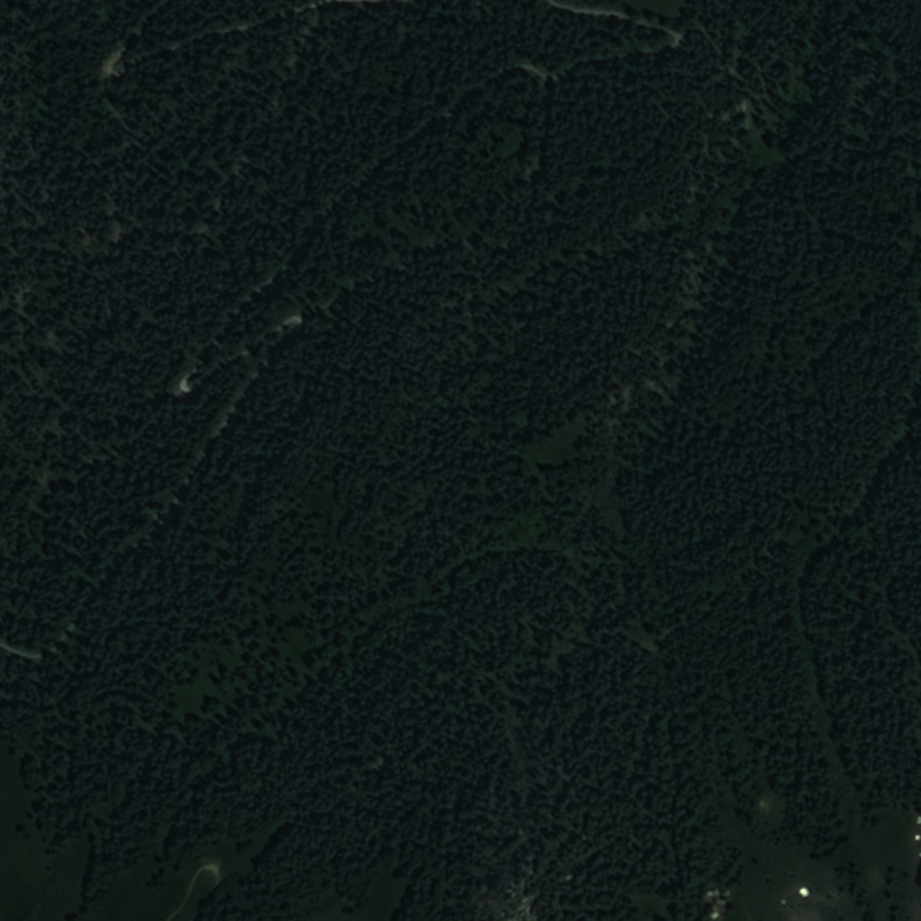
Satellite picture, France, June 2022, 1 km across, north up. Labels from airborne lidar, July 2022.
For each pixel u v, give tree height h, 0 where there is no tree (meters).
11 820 0
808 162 14
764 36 37
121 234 0
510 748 11
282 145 26
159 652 14
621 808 22
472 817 13
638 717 25
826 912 0
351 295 17
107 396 34
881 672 20
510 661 16
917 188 31
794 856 0
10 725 26
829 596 25
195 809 17
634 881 21
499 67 20
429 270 31
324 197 31
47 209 29
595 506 8
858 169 30
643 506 24
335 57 8
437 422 16
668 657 7
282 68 7
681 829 26
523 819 18
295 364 28
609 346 11
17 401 21
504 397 21
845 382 27
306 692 11
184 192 27
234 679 10
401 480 29
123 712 24
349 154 32
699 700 15
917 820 0
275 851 22
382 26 29
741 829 0
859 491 23
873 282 13
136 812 18
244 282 28
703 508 21
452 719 15
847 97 27
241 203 28
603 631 22
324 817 26
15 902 0
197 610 24
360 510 24
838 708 16
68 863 0
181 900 0
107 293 27
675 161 26
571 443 0
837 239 32
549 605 27
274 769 27
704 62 24
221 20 24
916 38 23
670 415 31
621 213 27
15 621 29
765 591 23
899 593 23
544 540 12
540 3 32
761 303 25
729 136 9
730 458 28
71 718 24
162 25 17
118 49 8
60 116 7
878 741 20
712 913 9
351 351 28
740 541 26
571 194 27
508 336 10
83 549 27
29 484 28
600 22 12
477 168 10
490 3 28
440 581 10
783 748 20
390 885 0
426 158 28
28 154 24
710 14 23
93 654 9
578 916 18
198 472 17
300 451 25
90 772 25
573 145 29
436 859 19
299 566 15
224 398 12
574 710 22
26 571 28
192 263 28
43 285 7
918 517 28
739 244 22
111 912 0
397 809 16
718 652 18
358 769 19
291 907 14
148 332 26
